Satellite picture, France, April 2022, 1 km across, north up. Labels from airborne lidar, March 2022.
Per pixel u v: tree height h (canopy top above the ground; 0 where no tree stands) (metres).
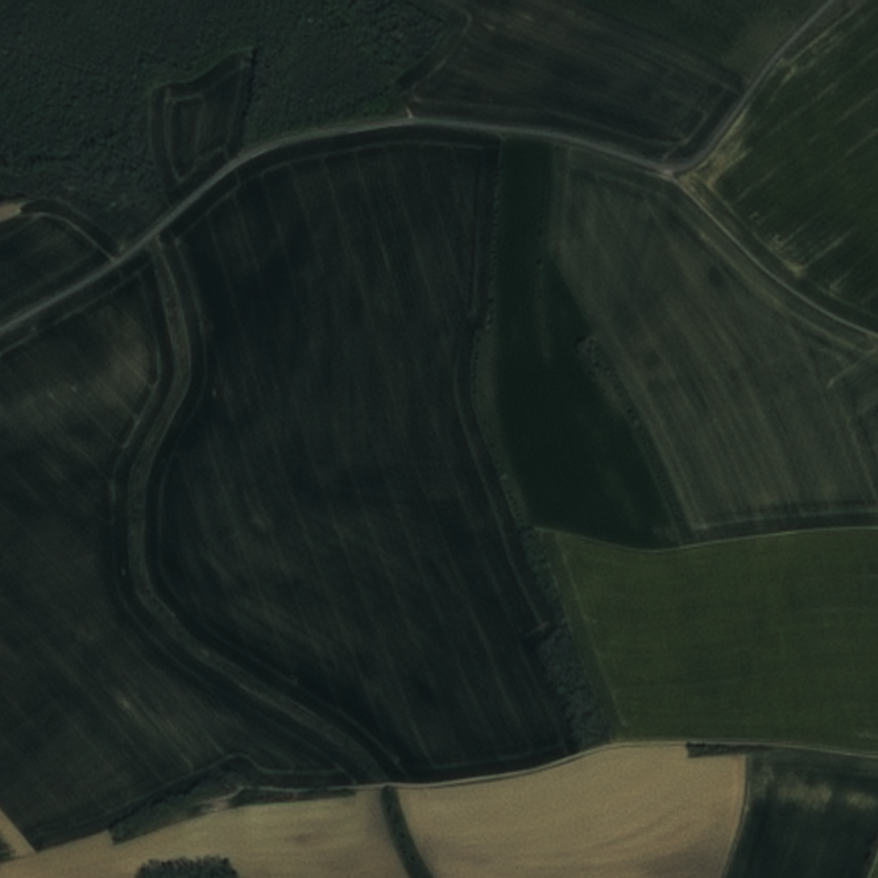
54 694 0
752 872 0
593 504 0
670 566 0
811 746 0
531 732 0
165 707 0
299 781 0
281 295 0
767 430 0
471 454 0
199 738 0
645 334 0
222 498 0
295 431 0
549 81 0
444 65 0
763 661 0
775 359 0
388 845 0
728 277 0
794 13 0
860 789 0
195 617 0
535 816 0
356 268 0
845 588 0
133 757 0
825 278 0
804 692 0
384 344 0
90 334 0
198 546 0
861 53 0
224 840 0
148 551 0
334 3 13
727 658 0
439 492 0
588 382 0
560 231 0
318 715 0
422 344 0
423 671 0
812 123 0
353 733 0
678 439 0
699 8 0
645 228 0
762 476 0
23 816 0
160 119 0
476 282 0
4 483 0
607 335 0
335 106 16
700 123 0
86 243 0
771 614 0
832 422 0
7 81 9
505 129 0
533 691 0
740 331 0
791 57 0
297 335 0
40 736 0
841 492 0
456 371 0
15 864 0
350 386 0
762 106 0
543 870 0
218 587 0
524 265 0
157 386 0
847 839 0
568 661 17
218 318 0
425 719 0
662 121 0
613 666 0
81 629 0
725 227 0
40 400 0
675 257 0
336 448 0
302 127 13
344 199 0
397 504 0
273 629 0
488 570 0
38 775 0
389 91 11
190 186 0
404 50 12
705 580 0
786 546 0
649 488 0
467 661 0
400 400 0
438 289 0
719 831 0
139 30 13
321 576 0
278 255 0
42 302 0
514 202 0
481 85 0
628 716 0
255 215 0
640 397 0
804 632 0
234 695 0
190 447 0
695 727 0
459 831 0
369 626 0
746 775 0
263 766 0
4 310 0
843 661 0
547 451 0
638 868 0
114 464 0
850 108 0
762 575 0
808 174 0
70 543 0
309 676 0
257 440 0
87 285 0
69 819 0
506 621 0
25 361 0
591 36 0
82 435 0
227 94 0
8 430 0
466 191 0
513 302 0
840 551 0
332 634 0
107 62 12
